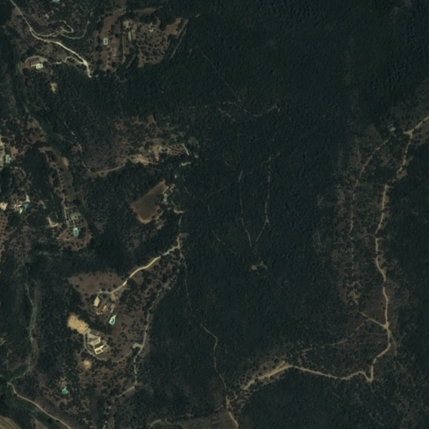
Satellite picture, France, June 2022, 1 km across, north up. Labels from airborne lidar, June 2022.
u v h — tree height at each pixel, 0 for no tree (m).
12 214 9
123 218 8
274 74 11
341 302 8
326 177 7
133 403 7
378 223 6
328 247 6
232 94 8
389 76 11
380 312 0
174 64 11
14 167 9
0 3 6
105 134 6
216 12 7
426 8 8
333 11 7
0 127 13
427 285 8
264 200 7
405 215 7
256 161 10
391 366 7
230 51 5
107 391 8
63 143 8
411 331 11
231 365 6
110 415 13
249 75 7
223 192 9
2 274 11
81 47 6
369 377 7
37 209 8
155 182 11
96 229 5
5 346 8
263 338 10
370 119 7
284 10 13
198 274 7
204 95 7
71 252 9
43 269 7
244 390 6
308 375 9
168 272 7
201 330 8
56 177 17
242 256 8
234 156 8
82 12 6
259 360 7
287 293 8
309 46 6
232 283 9
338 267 7
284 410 9
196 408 6
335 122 8
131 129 8
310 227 9
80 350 8
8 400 7
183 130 11
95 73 9
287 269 9
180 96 6
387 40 10
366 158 7
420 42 7
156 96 8
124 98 6
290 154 10
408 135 6
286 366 0
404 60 9
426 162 7
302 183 9
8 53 13
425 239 9
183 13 7
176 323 8
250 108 6
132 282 6
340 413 6
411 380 6
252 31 6
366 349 7
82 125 10
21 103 6
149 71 9
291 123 6
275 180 11
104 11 13
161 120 10
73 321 0
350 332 6
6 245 7
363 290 7
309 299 10
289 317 8
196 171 8
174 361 8
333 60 7
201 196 8
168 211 10
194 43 8
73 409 6
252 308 5
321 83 6
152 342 6
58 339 6
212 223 6
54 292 6
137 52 12
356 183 8
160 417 7
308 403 8
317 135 6
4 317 9
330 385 8
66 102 11
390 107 9
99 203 6
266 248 7
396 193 7
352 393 10
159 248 9
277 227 7
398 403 6
